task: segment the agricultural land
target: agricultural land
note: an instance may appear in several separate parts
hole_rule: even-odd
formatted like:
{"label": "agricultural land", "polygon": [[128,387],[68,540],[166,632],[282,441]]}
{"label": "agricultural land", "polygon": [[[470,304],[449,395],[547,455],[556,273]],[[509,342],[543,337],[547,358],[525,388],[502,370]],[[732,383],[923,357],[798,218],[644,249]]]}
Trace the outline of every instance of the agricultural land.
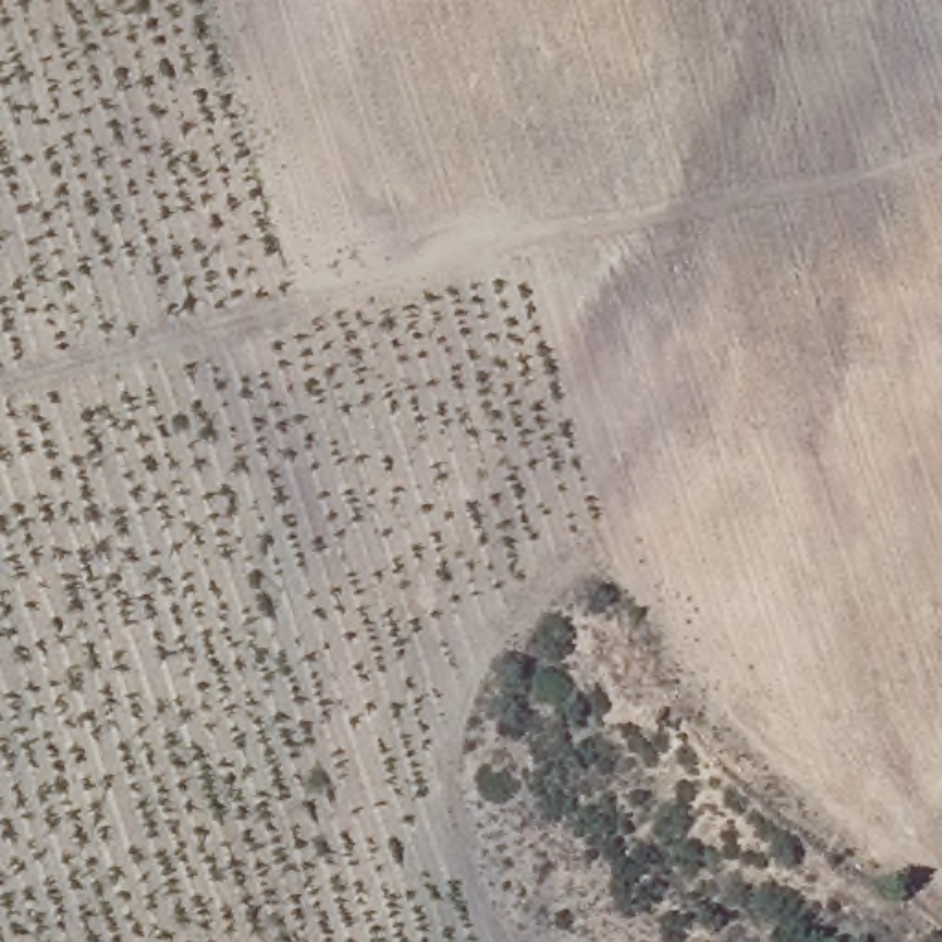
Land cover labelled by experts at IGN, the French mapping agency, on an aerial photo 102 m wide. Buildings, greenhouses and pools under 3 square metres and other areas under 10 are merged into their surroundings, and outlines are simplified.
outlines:
{"label": "agricultural land", "polygon": [[769,821],[787,824],[802,839],[806,854],[828,857],[828,865],[843,876],[835,894],[843,902],[839,931],[865,935],[865,942],[942,942],[942,0],[210,0],[213,15],[206,22],[217,33],[221,63],[232,77],[232,107],[243,118],[243,136],[250,144],[250,155],[258,155],[261,184],[272,206],[269,221],[280,239],[280,250],[291,258],[291,294],[298,298],[298,305],[320,294],[327,309],[357,309],[361,298],[383,298],[390,287],[419,294],[449,283],[460,287],[475,280],[519,280],[534,287],[545,342],[552,346],[552,353],[570,342],[567,331],[585,324],[585,350],[600,357],[603,350],[618,346],[622,313],[637,313],[644,302],[699,302],[707,294],[707,272],[695,265],[695,254],[718,250],[725,258],[732,272],[732,302],[743,316],[743,339],[740,350],[729,350],[729,375],[718,390],[718,405],[710,408],[714,442],[699,442],[692,449],[677,431],[655,438],[651,493],[633,508],[629,523],[618,523],[618,541],[607,545],[611,581],[622,592],[629,592],[640,607],[648,607],[648,618],[662,633],[662,651],[684,670],[692,670],[695,684],[707,684],[707,710],[692,703],[662,707],[655,718],[655,732],[666,736],[666,751],[655,765],[655,795],[673,802],[681,780],[695,784],[692,839],[714,846],[721,843],[725,828],[736,828],[740,846],[762,854],[773,846],[751,824],[754,813],[762,813]]}

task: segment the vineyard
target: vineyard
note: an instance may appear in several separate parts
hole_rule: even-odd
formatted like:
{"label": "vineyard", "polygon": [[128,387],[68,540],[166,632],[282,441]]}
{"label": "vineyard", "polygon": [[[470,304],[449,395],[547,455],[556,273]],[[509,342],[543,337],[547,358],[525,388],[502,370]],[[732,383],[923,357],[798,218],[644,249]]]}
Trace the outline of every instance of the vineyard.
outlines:
{"label": "vineyard", "polygon": [[802,865],[758,868],[747,861],[721,861],[721,868],[732,879],[740,876],[747,883],[791,887],[806,902],[828,902],[835,894],[843,876],[828,865],[828,857],[806,854]]}
{"label": "vineyard", "polygon": [[633,508],[651,493],[655,438],[677,431],[692,449],[699,442],[714,442],[710,408],[718,405],[718,390],[729,375],[729,350],[740,350],[743,339],[743,316],[732,302],[732,272],[725,258],[718,250],[695,254],[695,265],[707,272],[707,294],[699,302],[644,302],[637,313],[622,313],[618,346],[603,350],[600,357],[585,350],[585,324],[567,331],[570,342],[552,353],[552,346],[545,342],[534,287],[519,280],[475,280],[460,287],[449,283],[419,294],[390,287],[383,298],[361,298],[357,309],[327,309],[320,294],[298,305],[298,298],[291,294],[291,258],[280,250],[280,239],[269,221],[272,206],[261,184],[258,155],[250,155],[250,144],[243,136],[243,118],[232,107],[232,77],[221,63],[217,33],[206,22],[213,15],[210,0],[0,0],[0,942],[662,942],[662,931],[655,924],[648,924],[644,916],[622,916],[615,909],[611,865],[589,865],[585,839],[578,832],[570,832],[559,821],[545,821],[541,802],[534,795],[537,762],[530,747],[523,740],[500,736],[497,721],[482,721],[482,729],[467,725],[482,681],[493,673],[493,659],[500,659],[504,651],[523,651],[545,615],[563,615],[574,622],[574,651],[567,655],[567,670],[574,684],[585,692],[607,692],[607,721],[633,721],[644,732],[655,732],[655,718],[662,707],[692,703],[707,710],[707,684],[695,684],[692,670],[684,670],[662,651],[662,633],[648,618],[648,607],[640,607],[629,592],[622,592],[611,581],[607,545],[618,541],[618,523],[629,523]]}

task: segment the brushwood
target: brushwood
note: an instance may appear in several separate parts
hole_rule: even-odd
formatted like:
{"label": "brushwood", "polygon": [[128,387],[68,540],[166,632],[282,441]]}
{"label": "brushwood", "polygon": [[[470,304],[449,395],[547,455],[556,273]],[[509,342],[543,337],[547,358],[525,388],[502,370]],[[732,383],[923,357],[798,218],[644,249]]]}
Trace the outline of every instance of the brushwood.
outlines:
{"label": "brushwood", "polygon": [[666,751],[666,736],[655,732],[644,732],[633,721],[607,721],[607,692],[585,692],[574,684],[567,670],[567,655],[574,651],[574,622],[563,615],[545,615],[523,651],[504,651],[500,659],[493,659],[493,673],[482,681],[467,725],[482,729],[482,721],[497,721],[500,736],[523,740],[530,747],[537,762],[534,795],[541,802],[545,821],[559,821],[570,832],[578,832],[585,839],[589,865],[611,865],[615,909],[622,916],[644,916],[648,924],[655,924],[662,931],[662,942],[865,942],[865,935],[839,931],[843,902],[835,894],[828,902],[806,902],[791,887],[747,883],[740,876],[732,879],[721,868],[721,861],[747,861],[758,868],[802,865],[806,854],[802,839],[787,824],[769,821],[762,813],[754,813],[751,824],[773,846],[762,854],[740,846],[736,828],[725,828],[721,843],[714,846],[692,839],[695,784],[681,780],[673,802],[655,795],[655,765]]}

